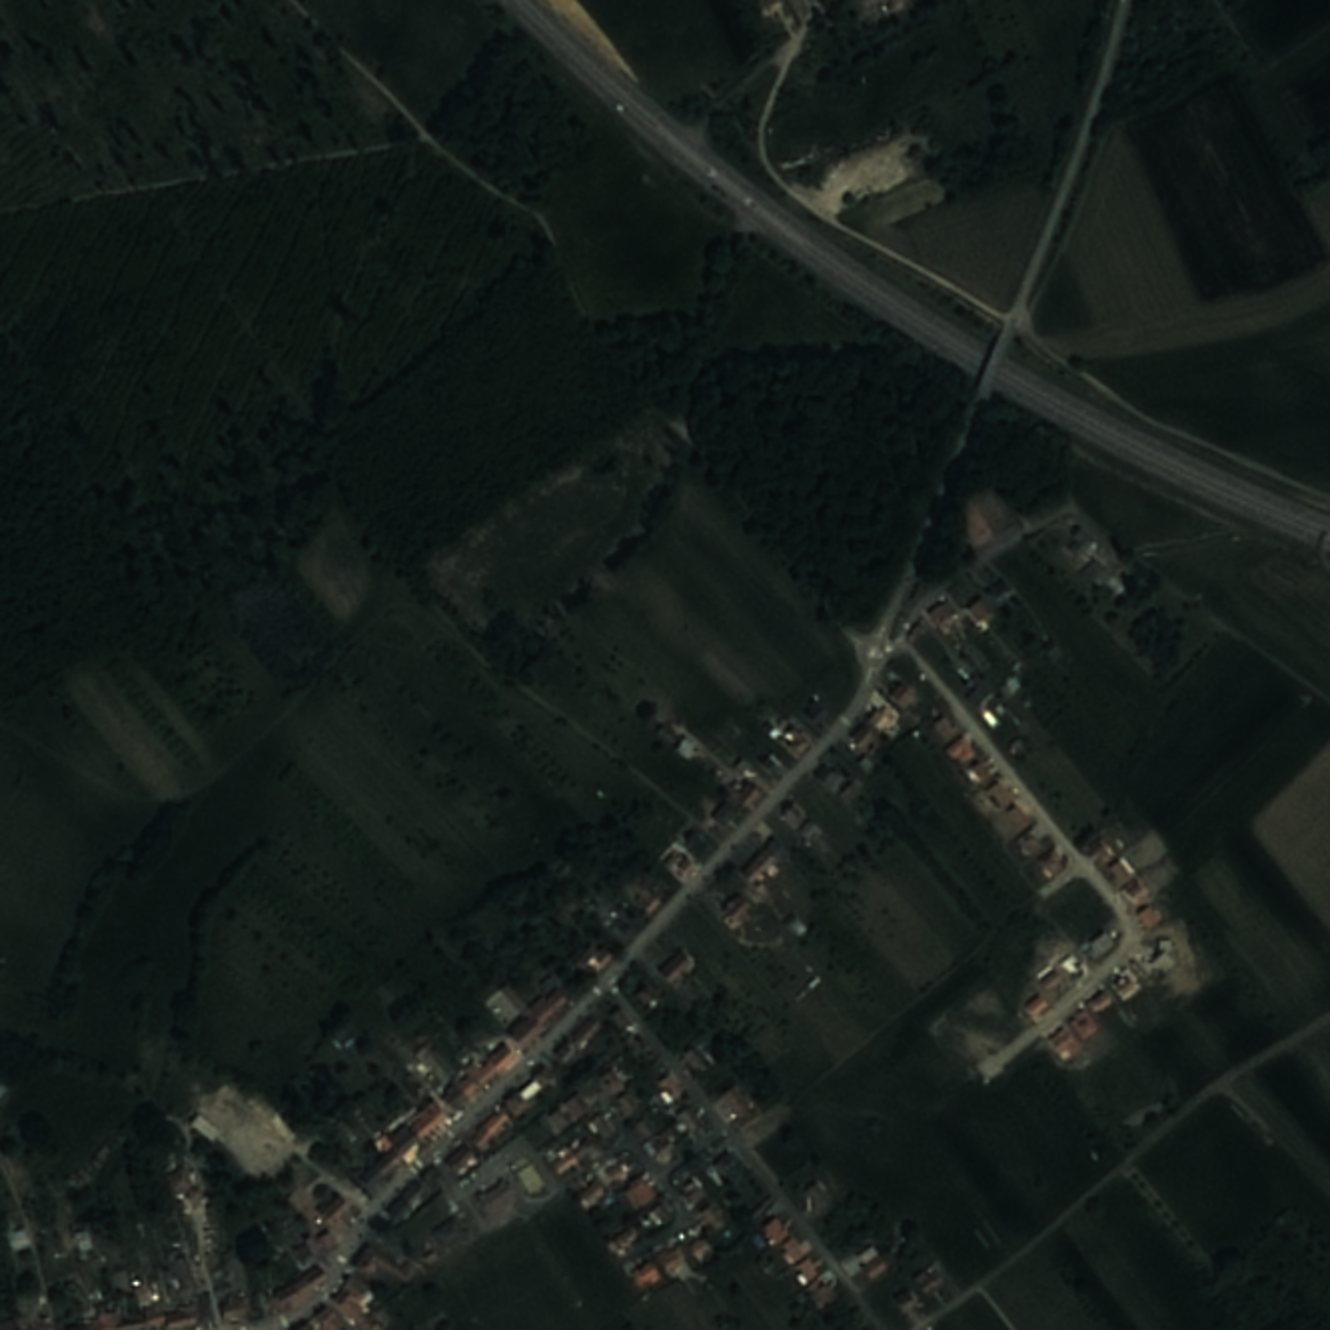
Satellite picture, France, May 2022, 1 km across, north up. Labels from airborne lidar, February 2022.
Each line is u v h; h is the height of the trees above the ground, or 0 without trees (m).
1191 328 0
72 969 9
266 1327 0
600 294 0
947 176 7
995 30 0
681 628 0
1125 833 0
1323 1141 0
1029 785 0
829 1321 7
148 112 0
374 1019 0
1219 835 0
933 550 19
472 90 11
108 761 0
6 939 0
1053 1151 0
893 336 14
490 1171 0
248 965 0
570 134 23
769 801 0
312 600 9
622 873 24
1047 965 0
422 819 0
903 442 24
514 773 0
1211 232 0
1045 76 0
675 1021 9
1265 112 0
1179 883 0
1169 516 0
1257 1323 0
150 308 5
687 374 19
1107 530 0
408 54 0
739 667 0
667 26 0
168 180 0
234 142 0
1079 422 0
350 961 7
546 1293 0
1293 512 0
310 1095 8
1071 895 0
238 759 0
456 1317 0
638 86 0
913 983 0
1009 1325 0
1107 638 0
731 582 0
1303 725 0
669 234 0
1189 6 7
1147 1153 0
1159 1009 0
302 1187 0
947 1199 0
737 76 0
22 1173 0
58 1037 0
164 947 0
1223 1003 0
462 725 0
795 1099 0
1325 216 0
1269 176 0
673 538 0
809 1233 0
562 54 0
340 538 0
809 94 0
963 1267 0
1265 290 0
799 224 0
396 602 0
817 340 0
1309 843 0
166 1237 0
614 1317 0
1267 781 0
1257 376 0
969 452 7
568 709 0
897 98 0
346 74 21
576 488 0
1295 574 0
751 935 0
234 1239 0
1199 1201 0
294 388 0
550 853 0
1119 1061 0
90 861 0
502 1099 0
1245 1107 0
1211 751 0
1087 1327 0
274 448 22
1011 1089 0
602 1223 11
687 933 0
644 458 0
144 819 0
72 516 18
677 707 0
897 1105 0
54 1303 12
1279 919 0
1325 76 0
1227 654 0
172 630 10
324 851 0
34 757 0
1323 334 0
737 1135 0
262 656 14
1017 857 0
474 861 0
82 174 30
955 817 0
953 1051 0
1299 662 0
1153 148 0
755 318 0
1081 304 0
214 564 22
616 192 0
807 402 27
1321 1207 0
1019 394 0
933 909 0
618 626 0
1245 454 0
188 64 35
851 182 0
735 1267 0
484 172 24
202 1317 0
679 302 0
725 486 13
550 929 16
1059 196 0
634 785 0
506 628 20
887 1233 7
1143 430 0
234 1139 0
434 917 0
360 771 0
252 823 0
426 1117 0
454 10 0
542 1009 0
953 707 0
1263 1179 0
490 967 11
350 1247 0
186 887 0
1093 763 0
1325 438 0
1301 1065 0
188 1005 19
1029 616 0
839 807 0
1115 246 0
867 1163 0
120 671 6
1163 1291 0
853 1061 0
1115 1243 0
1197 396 0
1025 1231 0
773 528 20
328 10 0
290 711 0
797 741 0
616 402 18
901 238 0
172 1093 0
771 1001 0
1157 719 0
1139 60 8
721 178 0
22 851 0
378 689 0
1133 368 0
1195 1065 0
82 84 0
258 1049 7
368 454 14
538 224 0
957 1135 0
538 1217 0
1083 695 0
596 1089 0
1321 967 0
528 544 0
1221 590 0
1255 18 0
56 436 21
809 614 0
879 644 0
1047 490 18
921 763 0
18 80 0
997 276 0
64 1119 0
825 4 11
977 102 0
